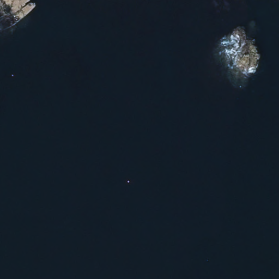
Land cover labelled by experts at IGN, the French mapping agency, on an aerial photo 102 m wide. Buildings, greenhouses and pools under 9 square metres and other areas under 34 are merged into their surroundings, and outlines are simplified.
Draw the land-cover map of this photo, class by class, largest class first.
<instances>
[{"label":"water","instance_id":"1","mask_svg":"<svg viewBox=\"0 0 279 279\"><path fill-rule=\"evenodd\" d=\"M35 8L21 19L13 16L10 5L3 0H0V279H279V0H31ZM238 27L244 29L246 39L255 41L254 46L259 54L257 68L255 72L248 74L246 86L243 88L234 87L229 81L227 54H219L220 50H225L221 44L222 37L231 36Z\"/></svg>","mask_w":279,"mask_h":279},{"label":"bare soil","instance_id":"2","mask_svg":"<svg viewBox=\"0 0 279 279\"><path fill-rule=\"evenodd\" d=\"M10 5L13 16L21 19L35 8L31 0H3ZM255 41L246 39L244 29L238 27L231 36L222 37L221 44L225 50H220L219 54H227L229 81L234 87L243 88L246 86L248 74L255 72L257 68L259 54L254 46Z\"/></svg>","mask_w":279,"mask_h":279}]
</instances>
